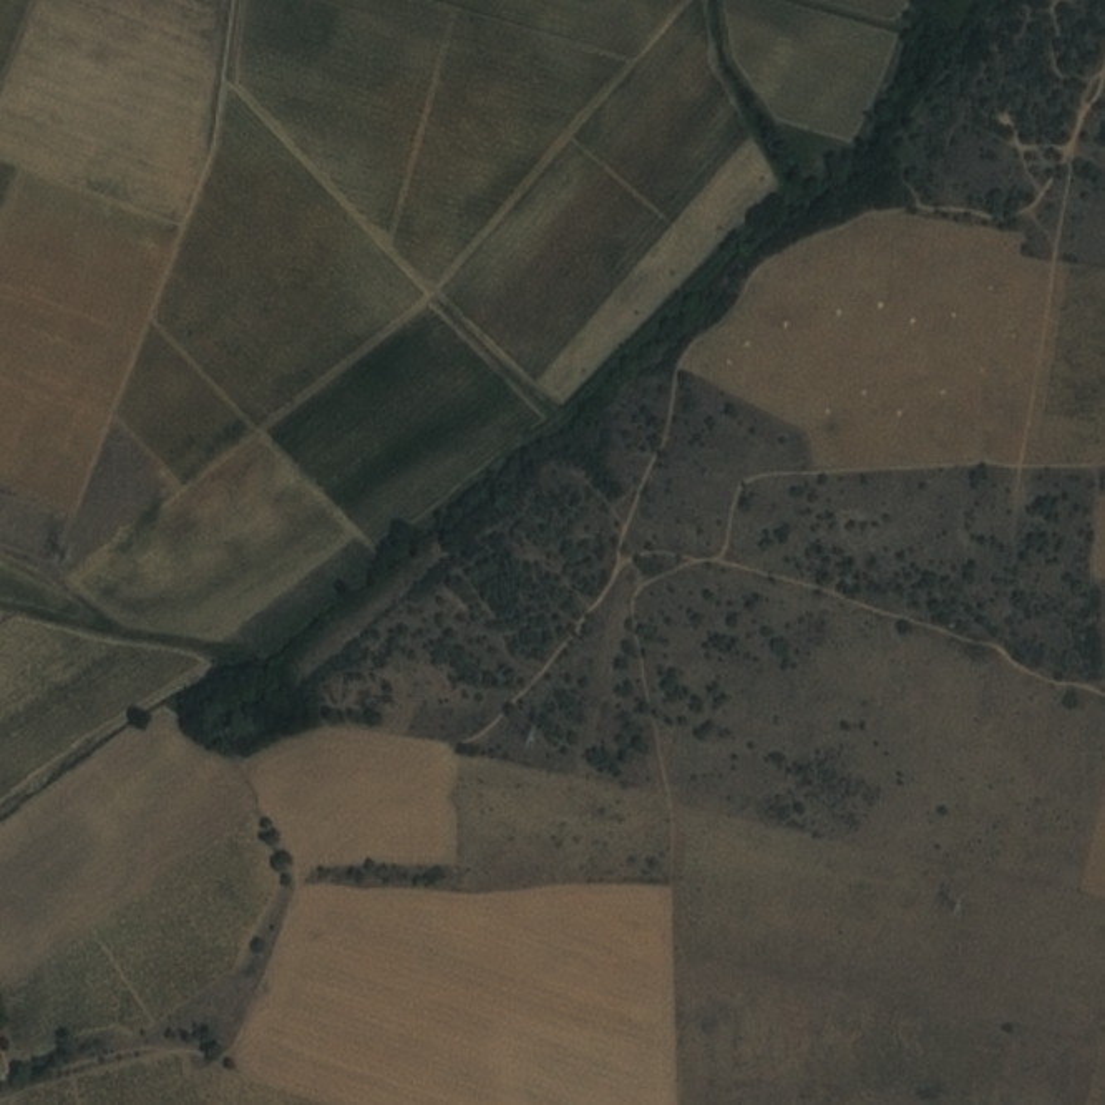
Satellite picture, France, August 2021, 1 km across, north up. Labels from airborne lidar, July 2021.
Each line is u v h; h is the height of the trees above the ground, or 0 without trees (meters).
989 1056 0
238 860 0
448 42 0
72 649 0
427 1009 0
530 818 0
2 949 0
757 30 0
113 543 0
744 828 0
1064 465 0
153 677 0
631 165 0
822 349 0
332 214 0
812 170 0
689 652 0
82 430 0
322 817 0
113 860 0
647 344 6
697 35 0
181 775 0
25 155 0
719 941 0
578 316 0
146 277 0
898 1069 0
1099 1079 0
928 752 0
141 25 0
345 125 0
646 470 0
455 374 0
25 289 0
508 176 0
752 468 0
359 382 0
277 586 0
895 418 0
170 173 0
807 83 0
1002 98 8
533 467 7
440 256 0
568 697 11
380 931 0
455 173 0
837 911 0
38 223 0
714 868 0
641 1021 0
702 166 0
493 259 0
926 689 0
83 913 0
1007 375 0
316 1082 0
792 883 0
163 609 0
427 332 0
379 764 0
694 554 0
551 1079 0
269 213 0
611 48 0
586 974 0
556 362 0
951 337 0
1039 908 0
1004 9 10
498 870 0
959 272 0
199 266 0
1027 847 0
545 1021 0
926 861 0
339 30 0
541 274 0
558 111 0
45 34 0
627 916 0
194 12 0
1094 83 0
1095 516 0
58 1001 0
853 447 0
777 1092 0
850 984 0
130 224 0
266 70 0
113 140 0
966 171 0
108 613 0
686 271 0
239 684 28
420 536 12
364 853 0
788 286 0
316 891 0
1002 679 0
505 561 6
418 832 0
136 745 0
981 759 0
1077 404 0
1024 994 0
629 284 0
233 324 0
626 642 6
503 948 0
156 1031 0
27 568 0
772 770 0
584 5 0
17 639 0
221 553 0
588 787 0
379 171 0
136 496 0
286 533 0
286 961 0
